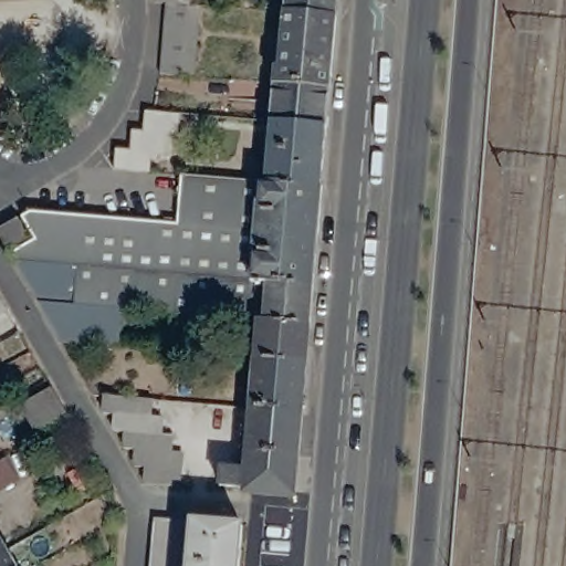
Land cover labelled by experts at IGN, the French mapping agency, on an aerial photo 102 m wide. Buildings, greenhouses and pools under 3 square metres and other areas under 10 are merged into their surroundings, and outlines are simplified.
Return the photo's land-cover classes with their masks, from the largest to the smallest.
<instances>
[{"label":"impervious surface","instance_id":"1","mask_svg":"<svg viewBox=\"0 0 566 566\"><path fill-rule=\"evenodd\" d=\"M166 4L161 0H0V53L11 44L27 46L33 40L40 49L46 46V82L51 86L71 88V84L84 73L86 62H91L95 69H104L111 73L106 80H102L99 99L69 117V126L75 135V142L71 146H57V155L22 153L11 157V150L0 146V223L20 217L27 208L93 212L108 217L175 219L177 184L181 172L172 168V159L150 161L148 172L117 170L115 150L130 146V133L144 126L146 111L179 113L181 119L177 128H190L192 135H201L203 122L210 117V111H254V126L245 119H226L219 124V128H226L228 148L221 150V159L212 168L195 166L190 175L243 177L248 190L256 195L259 181L265 179L263 153L268 128L270 77L274 60H261L259 86L245 80H230V84H208L206 80H179L161 77ZM157 86L164 91L192 95L201 106L190 108L177 104H157ZM440 0H336L329 49V84L325 91L323 113L321 179L310 283L303 407L298 416L301 451L296 458L294 489L301 491V495L298 502L276 495H254L250 500V493L241 491L239 484L228 482L226 486H219L210 478L214 462H241L245 405L232 409L228 405L159 400L157 409H153L150 416L164 418V433H175L172 451H184L181 473L186 475L172 482L166 500L164 495H150L144 489H139L144 478L130 475L126 462L113 444V422H108V418L95 416L102 409L106 394H99L97 389H91L86 380L82 378L75 360L69 354L66 343L53 325L44 303H40L35 287L20 268V254L0 239V343L13 338L15 329L24 327L27 336L35 345V352L49 367L51 376L64 396V413L71 420L88 422L91 440L97 458L102 460V469L115 482V502L128 513L124 566H148L153 522L157 517H168L170 524L181 522L186 526V517L192 513L241 520L245 537L243 566H391L394 551H400L405 546L402 537L396 533L398 497V473L402 464H407L409 458L402 451V440L407 387L409 382L418 385L416 374L409 369L413 305L416 301H425L427 296L416 285L420 250V226L422 221L433 217L425 208V170L429 137L433 86L436 53L447 49L442 38L438 35ZM500 22V0H458L444 168L438 250L411 566H444V562H451V557L447 555V535L451 533L449 511L455 509V502H460V486H455V480L458 455L464 438L460 429L467 374L469 316L471 305H475L478 301L475 296H471L475 254L471 252V241L475 239L478 230L491 40L493 29ZM208 38H228L261 44V38L256 33L206 29L203 24L201 40L197 42L201 53L206 49ZM11 104V91L2 88L0 75V133L7 130L2 113ZM49 551V542L42 535V531L18 542L15 546H11V562L22 566H35L40 557H46Z\"/></svg>","mask_w":566,"mask_h":566},{"label":"building","instance_id":"2","mask_svg":"<svg viewBox=\"0 0 566 566\"><path fill-rule=\"evenodd\" d=\"M166 4L161 77L179 80L184 71L192 73L197 69L201 53L197 42L201 40L203 24L206 7L192 4L190 0H161ZM336 0H281L276 40L279 55L274 60L270 77L268 128L263 153L265 179L259 181L256 195L248 190L243 177L190 175L181 172L177 184L175 219L108 217L93 212L27 208L20 217L0 223V239L20 254V268L35 287L40 303H44L53 325L66 343L69 354L77 347H86L93 336H104L106 349L113 354L115 349L124 347L119 340V332L124 329V325L119 321V312L130 301L164 305L175 310L177 314L179 307H184L195 316L214 314L221 305L248 310V298L252 296L254 285L263 287L261 312L259 316L250 314V345L243 365L248 367L245 405L241 462H214L210 478L219 486H226L228 482L239 484L241 491L250 493V500L254 495H276L298 502L301 495V491L294 489L296 458L301 451L298 416L303 407L310 283L321 179L323 113L325 91L329 84V49ZM181 119L179 113L146 111L144 126L130 133V146L115 150L117 170L148 172L150 161L172 159L170 135L177 128ZM49 387L31 396L24 402L22 420L38 429L53 425L64 413V396L51 376L46 378ZM159 400L139 398L106 394L102 409L95 416L108 418V422H113V444L126 462L130 475L144 478L139 489H144L150 495H164L166 500L172 482L186 475L181 473L184 451H172L175 433H164V418L150 416L153 409H157ZM27 473L20 458L15 455L0 460V491L7 484H15ZM245 537L241 520L192 513L186 517V526L181 522L170 524L168 517H157L153 522L148 566H243ZM11 551L7 548L4 535L0 531V566H22L11 562Z\"/></svg>","mask_w":566,"mask_h":566},{"label":"pervious surface","instance_id":"3","mask_svg":"<svg viewBox=\"0 0 566 566\"><path fill-rule=\"evenodd\" d=\"M458 0H440L438 35L442 38L447 49V57H451L447 62V88L438 91L433 86L429 137L440 135L438 166L444 168ZM478 230L475 239L471 241V252L475 254L471 296H475L478 301L475 305H471L469 316L467 374L460 429L464 438L458 455L455 480V486H460V502H455V509L449 511L451 533L447 535V555L451 557V562H444V566H566V0H500V22L493 29L491 40ZM438 250L431 248L429 254H422L420 250L416 285L427 296L425 301H416L413 305L409 369L416 374L418 385L409 382L407 387L402 440V451L409 458L407 464L411 467L413 489L398 497L396 533L402 537L405 546L400 551H394L391 566H411Z\"/></svg>","mask_w":566,"mask_h":566},{"label":"deciduous trees","instance_id":"4","mask_svg":"<svg viewBox=\"0 0 566 566\"><path fill-rule=\"evenodd\" d=\"M192 4L206 7H210L212 11H226L243 0H190ZM0 75L2 88L11 91V104L2 113L7 130L0 133V146L11 150V157L22 153L57 155V146H71L75 142V135L69 126V117L99 99L102 80H106L111 73L104 69H95L91 62H86L84 73L71 84V88L51 86L46 82V46L40 49L33 40L27 46L11 44L0 53ZM172 159V168L181 172L190 175L195 166L212 168L221 159V150L228 148L226 128H219V124L214 122V117H210L203 122L201 135H192L190 128H177L170 135ZM177 314L175 310L164 305L130 301L119 312V321L124 325V329L119 332V340L124 347H137L146 360L159 363L164 367V376L168 378V382L188 389L192 385L223 387L221 374L230 369L239 371L243 365L250 345V314L248 310L221 305L214 314L195 316V321L188 325L186 347L164 352L159 347V327L155 323L172 321ZM75 360L82 378L86 380L95 378V374H102L113 363V354L106 349L104 336H93L86 347H77L69 354ZM29 380L2 382L0 387V409L9 413L11 425H18L22 420L24 402L31 396ZM99 394H106L139 398V387L126 380L99 382L97 389ZM15 455L20 458L27 473L35 480L33 520H40L46 526L60 522L62 517L71 515L73 511L82 509L93 500H99L104 504L99 520L106 522V526L99 531V539L86 544L84 548L88 551V557L93 562H99V566H124L128 513L115 502V482L102 469V460L97 458L91 440L88 422L71 420L64 413L53 425L38 429L31 440H22V447L15 451ZM60 464L64 469L77 471V475L84 480V491L71 486L66 478L55 475V467Z\"/></svg>","mask_w":566,"mask_h":566},{"label":"herbaceous vegetation","instance_id":"5","mask_svg":"<svg viewBox=\"0 0 566 566\"><path fill-rule=\"evenodd\" d=\"M281 0H243L226 11H212L210 7H206L203 24L206 29L256 33L261 38V44L228 38H208L206 49L201 53L197 69L192 73L184 71L179 80H206L208 84H230V80H245L259 86L261 60H274L279 55L276 40ZM451 57H447V49L436 53L433 86L438 91L447 88V62ZM440 135L429 137L425 170V208L433 217L422 221L420 226V250L422 254H429L431 248L438 250L444 168L438 166ZM263 287L254 285L252 296L248 298V310L250 314L259 316L261 312ZM195 321V316L184 307H179L177 314L172 321L155 323L159 327V347L164 352L186 347L188 325ZM51 376L49 367L35 352V345L27 336L24 327L15 329L13 338L0 343V387L2 382L29 380L31 396L49 387L46 378ZM126 380L139 387V398L159 400L228 405L232 409L245 405L248 367L243 365L239 371L230 369L221 374L223 387L192 385L188 389L168 382V378L164 376V367L159 363L146 360L137 347H124L115 349L113 354V363L102 374H95V378L86 380L91 389H97L99 382ZM38 429L22 420L18 425H11L9 413L0 409V460L15 455V451L22 447V440H31ZM55 475L66 478L71 486L84 491V480L77 475V471L64 469L60 464L55 467ZM413 489L411 467L407 464H402L398 473V497ZM35 480L27 473L15 484H7L0 491V531L4 535L11 533L15 526H29L33 520ZM104 504L99 500H93L82 509L73 511L71 515L62 517L60 522L46 526L42 531V535L49 542V551H55L91 533L99 524V520ZM51 566H99V562H93L88 557V551L84 548L53 557Z\"/></svg>","mask_w":566,"mask_h":566},{"label":"brushwood","instance_id":"6","mask_svg":"<svg viewBox=\"0 0 566 566\"><path fill-rule=\"evenodd\" d=\"M157 104H177L190 108L201 106L192 95L164 91L157 86ZM210 117H214V122L219 124L226 119H245L254 126V111H210ZM46 526L40 520H33L29 526H15L11 533L4 535L7 548L11 551V546H15L18 542L42 531ZM106 526V522L99 520V524L91 533L55 551H49L46 557H40L35 566H51L53 557L84 548L86 544L99 539V531Z\"/></svg>","mask_w":566,"mask_h":566}]
</instances>
